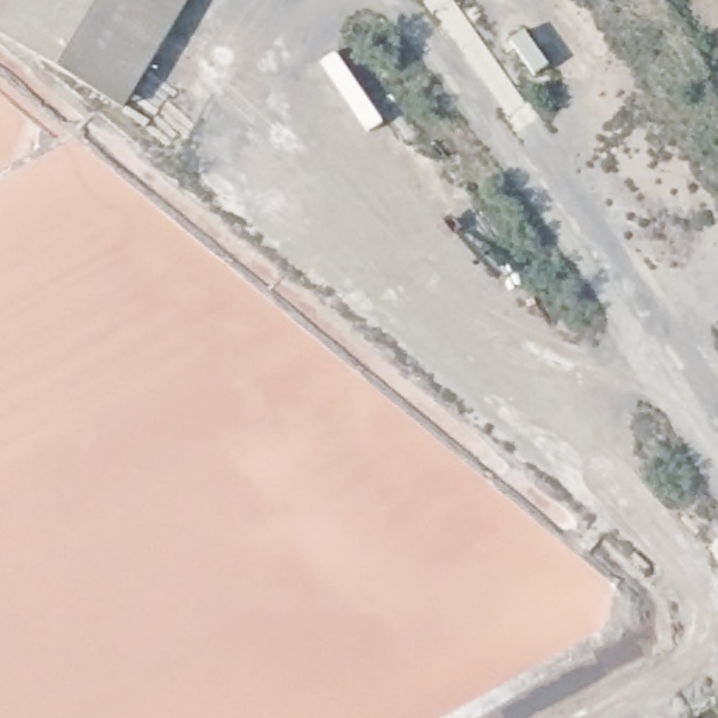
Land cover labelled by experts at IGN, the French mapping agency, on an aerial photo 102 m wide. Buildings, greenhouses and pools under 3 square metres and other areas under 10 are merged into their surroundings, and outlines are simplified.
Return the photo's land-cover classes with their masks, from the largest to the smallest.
<instances>
[{"label":"water","instance_id":"1","mask_svg":"<svg viewBox=\"0 0 718 718\"><path fill-rule=\"evenodd\" d=\"M0 53L8 62H14L17 70L67 115L65 123L50 121L48 129L56 132V143L45 157L34 160L31 151L17 157L14 146L20 143V135L28 121L0 98V718H440L468 704L480 693L499 687L516 673L553 665L558 656H564L586 639H595L600 645L592 662L575 665L561 676L530 687L527 693L510 698L508 704L482 718H533L536 712H544L561 704L564 698L597 684L611 670L639 659L653 645L656 606L651 595L631 575H625V569L609 553L595 555L592 561L575 555L558 536L541 527L524 508L505 496L491 480L471 468L463 457H457L449 446H443L418 421H412L398 404L381 395L359 370H353L331 348H325L309 328H303L292 314H286L272 297L252 286L213 250H208L182 224H177L163 208H157L132 182H126L81 140V126H90V132L115 157H121L132 171L143 174L168 199L182 205L191 213V219L210 227L224 247L238 252L247 264L266 269L269 280H275L283 292L311 306L317 320L331 325V331L342 337L381 379H387L412 404L426 409L485 466L502 474L519 491H524L530 499H536L564 530H572L578 524V516L524 471L510 468L505 452L491 446L485 435L468 429L460 421V415L449 409L443 401H438L432 393H426L415 376H404L384 348L367 342L334 309L323 306L317 294L289 280L269 258L255 252L247 241H241L230 230V224H224L205 208L199 196L180 188L174 177L163 174L149 160H143V149L126 137V132L109 123L101 112H87L81 95L73 93L62 79H56L53 70L62 65L59 59L42 56L34 48L20 50L0 36ZM617 592L631 597V606L637 611V628H628L620 639L603 642L611 600Z\"/></svg>","mask_w":718,"mask_h":718},{"label":"impervious surface","instance_id":"2","mask_svg":"<svg viewBox=\"0 0 718 718\"><path fill-rule=\"evenodd\" d=\"M359 8H376L387 14L393 22L398 17L424 14V22L432 31L424 48V59L443 79L452 104L468 118L477 137H482L491 146V151L508 171H522L527 177L530 191L547 194L544 222L555 230L561 250L578 264L581 275L589 280L595 272H606V283L597 289V297L606 306L609 323L606 337L597 348L567 342V323L541 320L536 300L519 283V275L508 264H499L494 255H488L485 247L491 236L482 233L474 222V213H468V191L452 188L440 180L438 163L418 151L415 132L407 121H381V115L376 112L353 73L339 59L342 22ZM135 93L143 101L135 109L126 107L123 118L140 123L149 132V137H157L160 143H171L174 135L188 137L196 118H205V135L199 146V177L216 194L219 205L244 216L250 233H261L269 247L283 252L314 283L334 286V292L356 314H362L370 325L390 334L407 351V356L421 362L443 387H449L466 401V415H460V421L468 429L485 435L491 446L505 452L510 468L524 471L527 463L541 466L553 477L564 466L578 468L583 474L586 488L595 494V505L589 508L595 513V524L603 533L614 530L631 544L642 547L665 578L682 583V653H690L696 642H704L712 634V628H718V575L701 555V541L679 533L673 510L665 508L659 496L645 485L639 457L634 454L631 421L639 398H648L651 404L668 412L676 435L698 454L701 474H707L710 491L718 499V325L710 328L690 306L682 309L676 320H670V314L651 294L642 275L631 266L628 258L639 255L642 261L653 258L656 269L670 266V252L662 241L645 236V227L625 219V213L653 216L656 210H662V205L651 196H645V202H634L625 191L628 177L617 168H586V160L595 149L586 143V129L581 126L578 112L569 104L555 115V135L544 129L539 112L505 79V73L491 59L488 48L480 42L474 25L466 22L454 0H185L171 31L165 34L154 59L135 84Z\"/></svg>","mask_w":718,"mask_h":718},{"label":"pervious surface","instance_id":"3","mask_svg":"<svg viewBox=\"0 0 718 718\"><path fill-rule=\"evenodd\" d=\"M185 0H0V36L20 50L34 48L42 56L59 59L62 65L53 70L56 79H62L73 93L81 95L87 112H101L109 123L126 132V137L143 149V160H149L163 174L174 177L180 188L199 196L205 208L224 224H230V230L241 241H247L255 252L269 258L289 280L317 294L323 306L334 309L367 342L384 348L404 376H415L426 393H432L438 401H443L449 409L460 415H466V401L449 387H443L421 362L407 356V351L390 334L370 325L362 314H356L334 292V286L314 283L283 252L269 247L261 233H250L244 216L219 205L216 194L199 177V146L205 135V118H196L188 137L174 135L171 143H160L157 137H149V132L140 123L123 118L126 107L135 109L143 101L135 93V84L154 59L165 34L171 31ZM466 22L474 25L480 42L488 48L491 59L505 73V79L539 112L544 129L555 135V115L569 104L578 112L581 126L586 129V143L595 149L600 126L617 115V109L628 101L631 87L637 81L628 65L609 50L603 34L592 22V14L575 0H454ZM690 8L698 17V22L718 31V0H690ZM0 98L28 121L20 135V143L14 146L17 157L31 151L34 160L45 157L56 143V132L48 129L50 121L65 123L67 115L17 70L14 62H8L0 53ZM81 140L126 182H132L157 208H163L177 224H182L208 250H213L252 286L272 297L286 314H292L303 328H309L325 348H331L353 370H359L381 395L398 404L412 421H418L443 446H449L457 457H463L471 468L491 480L505 496L524 508L541 527L558 536L575 555L592 561L595 555L609 553L625 569V575H631L651 595L656 606L653 645L639 659L611 670L597 684L564 698L561 704L544 712H536L533 718H718V628H712V634L704 642H696L690 653H682V583L665 578L642 547L631 544L614 530L603 533L595 524V513L589 508L595 505V494L586 488L583 474L578 468L564 466L553 477L541 466L527 463L524 471L578 516V524L572 530H564L536 499H530L524 491H519L502 474L485 466L426 409L412 404L387 379H381L342 337L331 331V325L317 320L311 306L283 292L275 280H269L266 269L247 264L238 252L224 247L210 227L191 219V213L182 205L168 199L143 174L132 171L121 157H115L90 132V126H81ZM631 154L614 149L617 168L628 177L625 191L634 202H645V196H651L662 205V210H656L653 216L625 213V219L645 227V236L662 241L670 252V266L656 269L653 258L642 261L639 255L628 258L631 266L642 275L651 294L670 314V320H676L682 309L690 306L710 328L718 325V199L710 191L690 194L687 182L693 171L684 160H668L651 168L642 126H637L628 137ZM628 628H637V611L631 606V597L617 592L611 600L603 642L620 639ZM600 645L595 639H586L564 656H558L553 665L516 673L499 687L480 693L468 704L440 718H482L508 704L510 698L527 693L530 687L561 676L575 665L592 662Z\"/></svg>","mask_w":718,"mask_h":718},{"label":"brushwood","instance_id":"4","mask_svg":"<svg viewBox=\"0 0 718 718\"><path fill-rule=\"evenodd\" d=\"M592 14V22L603 34L609 50L628 65L637 81L631 87L628 101L617 109V115L600 126L595 149L586 160V168H617L614 149L631 154L628 137L637 126H642L651 168L668 160H684L693 171L687 182L690 194L710 191L718 199V31L698 22V17L690 8V0H575ZM432 31L424 22V14L398 17L393 22L387 14L376 8H359L342 22L339 59L353 73L376 112L381 115V121H407L415 132L418 151L438 163L440 180L452 188L468 191V213H474V222L482 233L491 236L485 247L488 255H494L499 264H508L519 275V283L536 300L541 320L567 323V342L597 348L606 337L609 323L606 306L597 297V289L606 283V272H595L589 280L581 275L578 264L561 250L555 230L544 222L547 194L530 191L527 177L522 171H508L491 151V146L482 137H477L468 118L452 104L443 79L424 59V48ZM634 454L639 457L645 485L659 496L665 508L673 510L687 505L701 519H715L718 510V499L710 491L707 474H701L698 454L676 435L668 412L651 404L648 398H639L631 421Z\"/></svg>","mask_w":718,"mask_h":718},{"label":"herbaceous vegetation","instance_id":"5","mask_svg":"<svg viewBox=\"0 0 718 718\"><path fill-rule=\"evenodd\" d=\"M679 533L701 541V555L718 575V510L715 519H701L687 505L673 510Z\"/></svg>","mask_w":718,"mask_h":718}]
</instances>
